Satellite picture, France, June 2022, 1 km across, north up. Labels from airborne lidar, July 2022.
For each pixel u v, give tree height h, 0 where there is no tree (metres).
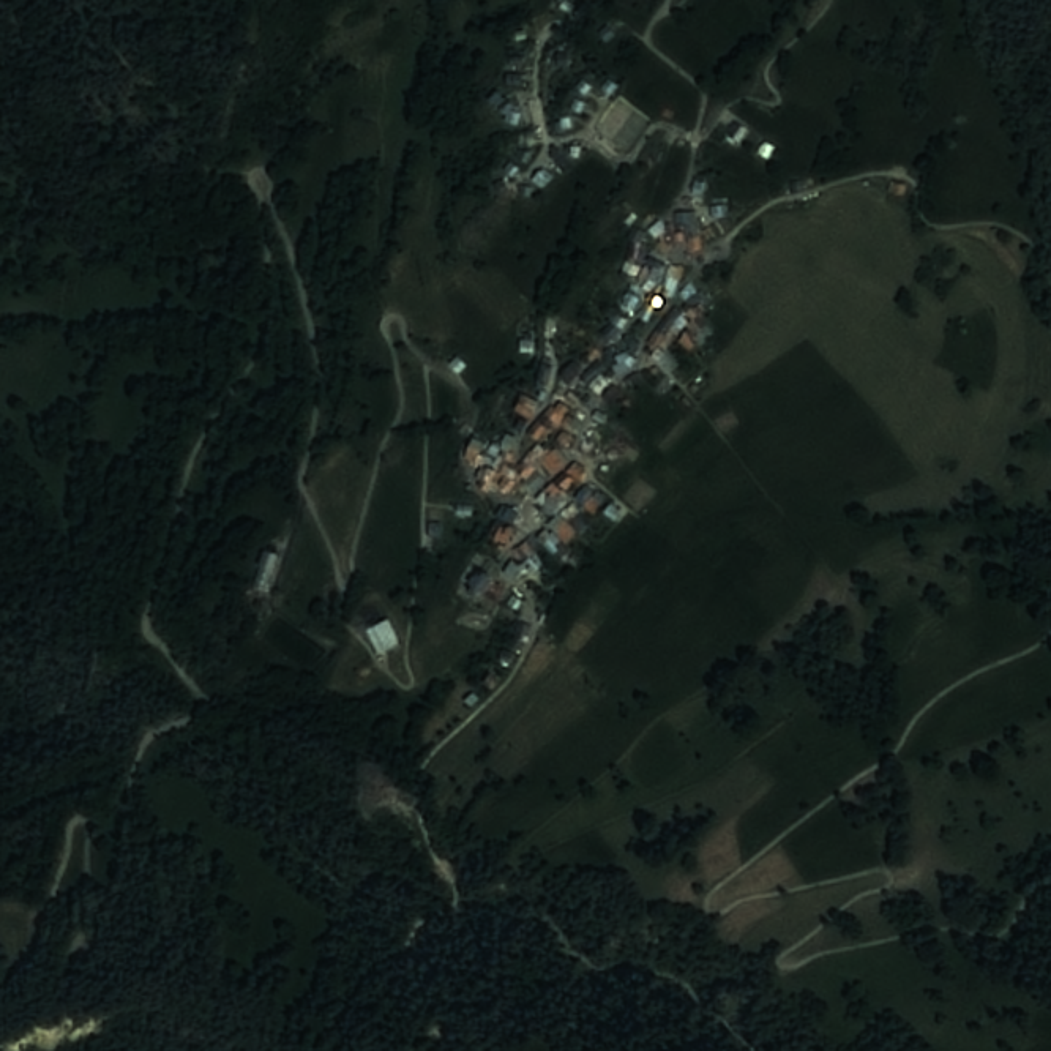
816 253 0
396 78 0
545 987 8
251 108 14
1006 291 0
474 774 0
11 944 0
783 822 0
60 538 15
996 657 0
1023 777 0
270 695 21
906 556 0
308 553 0
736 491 0
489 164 5
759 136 0
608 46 6
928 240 0
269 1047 11
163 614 10
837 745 0
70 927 17
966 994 0
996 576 25
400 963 15
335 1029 9
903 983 0
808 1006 14
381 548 0
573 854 0
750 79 7
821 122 0
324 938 10
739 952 15
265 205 11
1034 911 12
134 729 15
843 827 0
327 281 11
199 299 23
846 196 0
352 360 17
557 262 15
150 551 20
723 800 0
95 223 20
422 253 0
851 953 0
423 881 16
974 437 0
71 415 16
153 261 20
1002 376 0
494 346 0
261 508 0
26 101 22
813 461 0
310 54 8
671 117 0
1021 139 18
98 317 15
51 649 11
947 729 0
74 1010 11
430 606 0
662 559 0
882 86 0
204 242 21
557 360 6
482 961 25
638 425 0
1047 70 14
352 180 15
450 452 0
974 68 0
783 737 0
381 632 0
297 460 7
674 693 0
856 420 0
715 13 0
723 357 0
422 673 0
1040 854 7
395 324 0
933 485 0
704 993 14
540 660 0
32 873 14
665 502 0
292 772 20
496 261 0
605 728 0
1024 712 0
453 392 0
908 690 0
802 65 0
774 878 0
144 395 21
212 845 0
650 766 0
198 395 15
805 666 16
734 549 0
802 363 0
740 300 0
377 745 23
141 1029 17
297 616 0
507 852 11
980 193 0
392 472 0
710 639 0
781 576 0
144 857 21
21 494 17
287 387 25
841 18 0
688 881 0
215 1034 16
